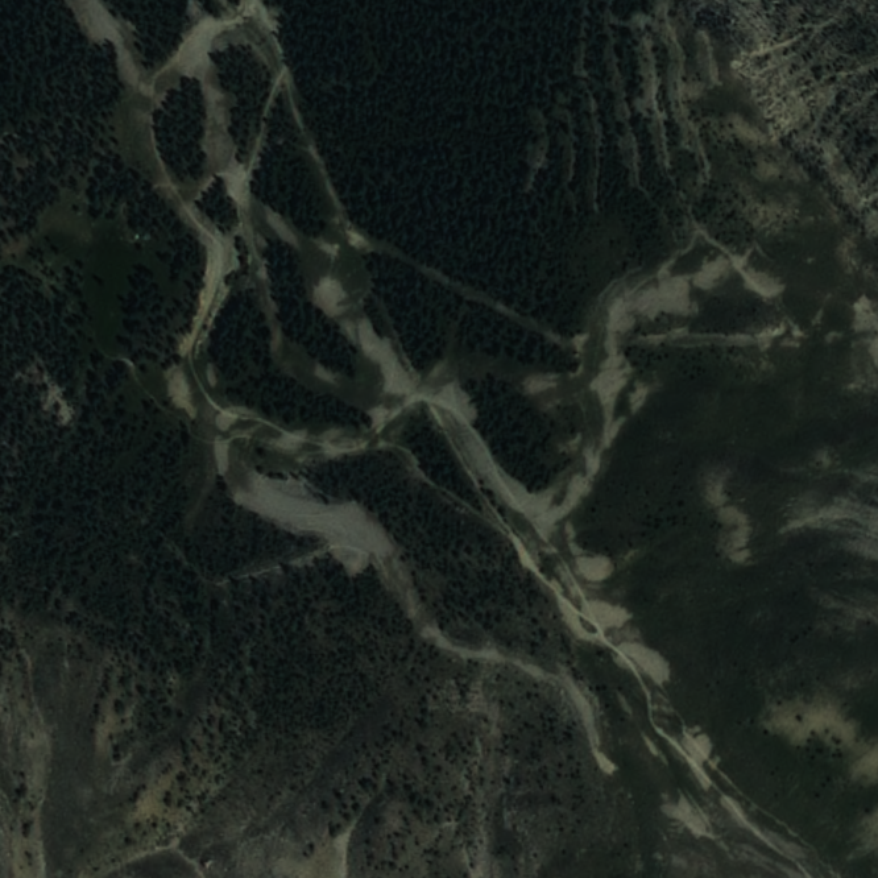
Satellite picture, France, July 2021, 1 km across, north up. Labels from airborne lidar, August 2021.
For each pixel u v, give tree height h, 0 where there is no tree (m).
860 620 0
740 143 6
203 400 0
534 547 0
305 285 13
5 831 0
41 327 21
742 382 0
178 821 0
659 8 0
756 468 0
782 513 0
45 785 0
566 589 0
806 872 0
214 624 6
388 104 18
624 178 7
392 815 0
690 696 0
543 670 0
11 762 0
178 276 20
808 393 0
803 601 0
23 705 0
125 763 0
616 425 0
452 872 0
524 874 0
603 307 0
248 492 0
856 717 0
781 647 0
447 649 0
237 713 10
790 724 0
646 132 7
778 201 0
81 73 13
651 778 0
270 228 0
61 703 0
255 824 0
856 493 0
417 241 20
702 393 0
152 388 0
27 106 19
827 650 0
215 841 0
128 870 0
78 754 0
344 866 0
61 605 14
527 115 8
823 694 0
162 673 8
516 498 0
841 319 0
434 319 17
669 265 0
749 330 0
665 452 0
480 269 20
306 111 8
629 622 0
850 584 0
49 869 0
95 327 0
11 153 25
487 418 6
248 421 0
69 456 9
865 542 0
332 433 0
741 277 0
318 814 0
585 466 0
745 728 0
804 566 0
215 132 0
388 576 0
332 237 0
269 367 19
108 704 0
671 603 0
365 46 15
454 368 0
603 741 0
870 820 0
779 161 0
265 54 0
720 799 0
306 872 0
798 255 0
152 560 15
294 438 0
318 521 0
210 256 0
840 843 0
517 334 9
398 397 0
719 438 0
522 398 6
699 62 0
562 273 9
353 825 0
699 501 0
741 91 0
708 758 0
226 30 0
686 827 0
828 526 0
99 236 0
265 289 0
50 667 0
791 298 0
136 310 24
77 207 10
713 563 0
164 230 14
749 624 0
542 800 0
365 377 0
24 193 19
